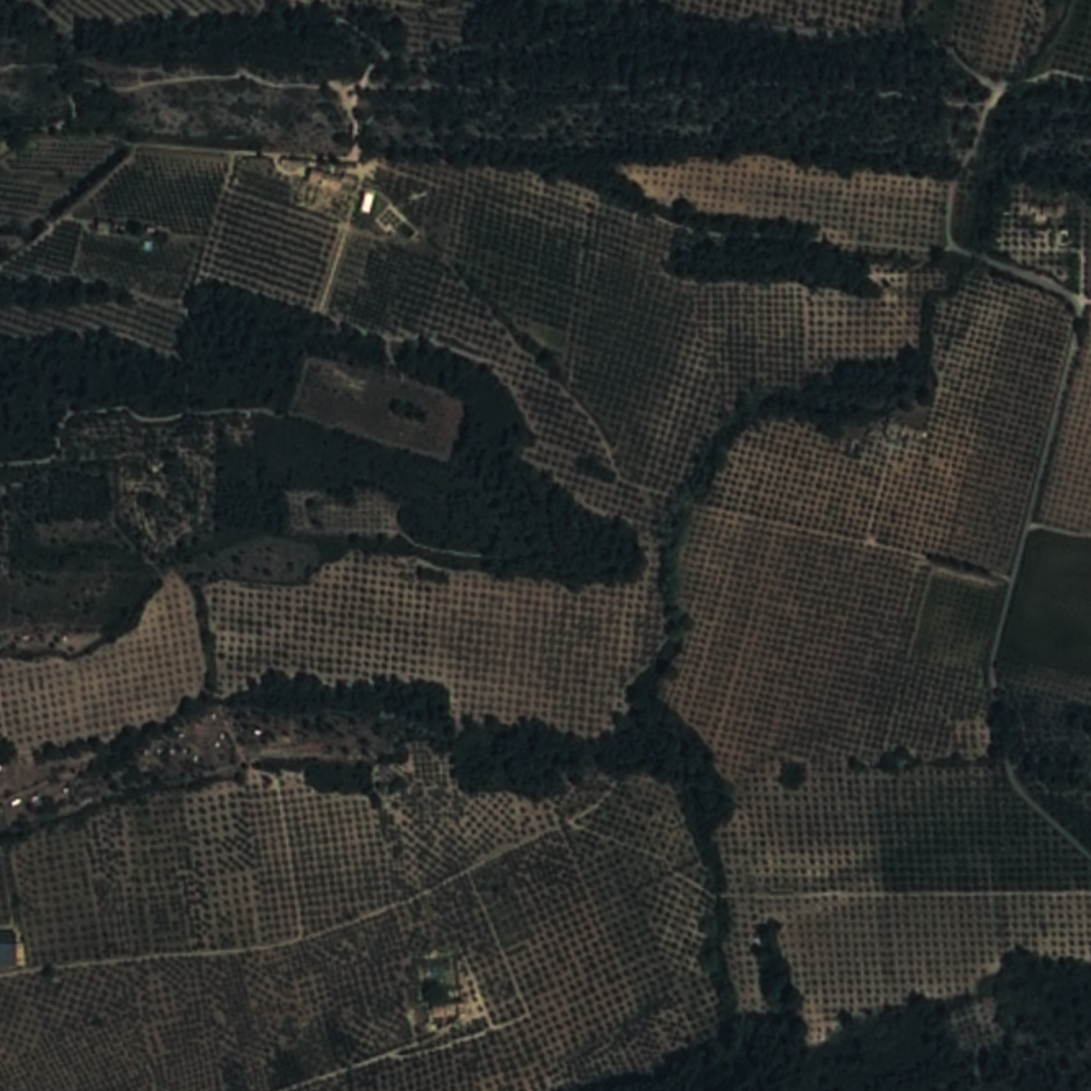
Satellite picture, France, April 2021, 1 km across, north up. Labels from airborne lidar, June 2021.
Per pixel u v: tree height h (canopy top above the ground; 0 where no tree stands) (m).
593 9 18
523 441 9
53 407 9
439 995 15
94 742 11
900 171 17
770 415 13
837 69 9
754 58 14
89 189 14
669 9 10
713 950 10
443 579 10
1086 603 0
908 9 9
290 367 8
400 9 7
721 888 6
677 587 15
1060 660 0
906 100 9
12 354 10
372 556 12
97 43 11
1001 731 14
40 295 15
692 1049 5
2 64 0
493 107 6
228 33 11
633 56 8
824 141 13
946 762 0
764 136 17
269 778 7
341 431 8
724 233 18
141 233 13
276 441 0
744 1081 11
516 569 14
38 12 15
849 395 21
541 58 11
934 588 0
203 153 0
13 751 8
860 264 11
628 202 19
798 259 11
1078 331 11
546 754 15
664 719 21
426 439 0
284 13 7
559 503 11
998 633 0
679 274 10
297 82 0
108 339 12
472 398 11
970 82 10
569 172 15
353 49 12
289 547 0
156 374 12
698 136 11
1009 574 0
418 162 13
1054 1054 11
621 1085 17
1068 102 10
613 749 14
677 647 7
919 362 17
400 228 5
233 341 9
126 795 6
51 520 9
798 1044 8
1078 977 10
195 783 5
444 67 9
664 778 18
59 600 0
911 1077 9
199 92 0
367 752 7
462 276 6
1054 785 12
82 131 8
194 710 10
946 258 15
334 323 11
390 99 9
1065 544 0
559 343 0
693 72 10
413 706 9
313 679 8
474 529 6
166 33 14
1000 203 18
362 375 0
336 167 13
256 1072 6
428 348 11
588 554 13
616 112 7
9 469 6
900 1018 11
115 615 0
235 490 8
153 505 14
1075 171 12
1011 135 10
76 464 7
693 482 13
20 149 14
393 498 8
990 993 8
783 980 13
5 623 0
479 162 15
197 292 10
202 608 6
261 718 6
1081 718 11
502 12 14
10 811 0
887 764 9
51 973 11
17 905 6
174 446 6
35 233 11
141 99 0
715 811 19
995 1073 9
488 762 7
